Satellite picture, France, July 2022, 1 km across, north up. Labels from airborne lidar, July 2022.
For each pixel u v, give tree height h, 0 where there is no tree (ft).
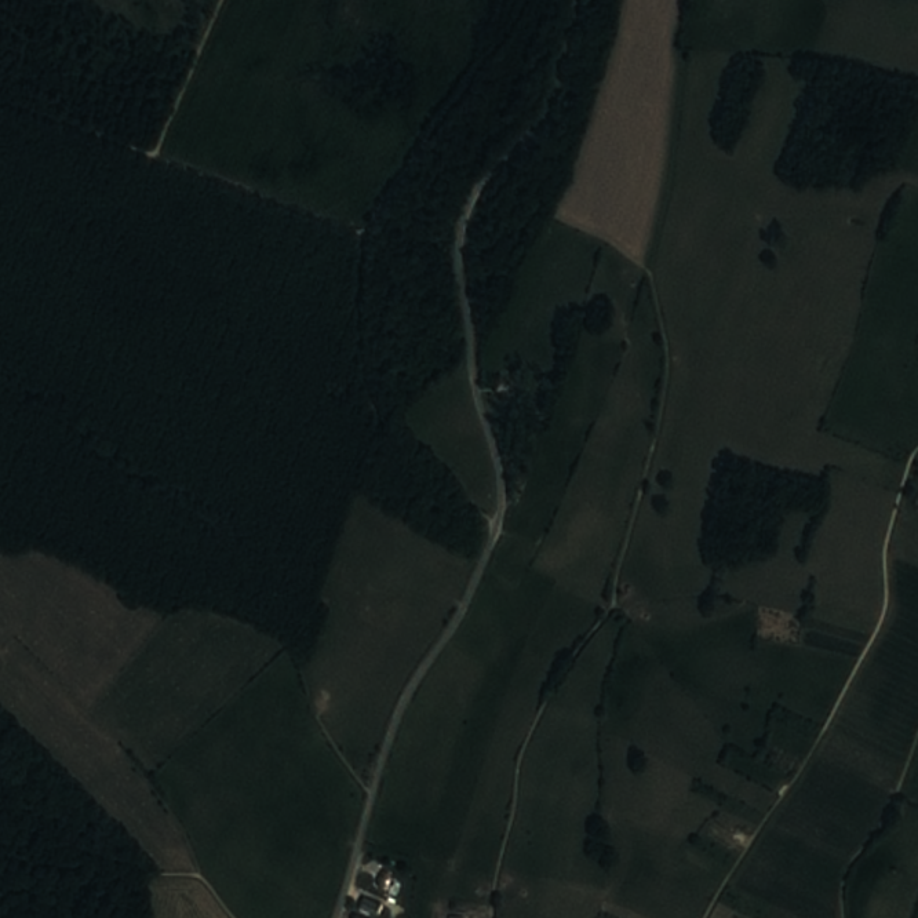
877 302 0
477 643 0
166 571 55
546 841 0
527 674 0
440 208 87
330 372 51
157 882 0
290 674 0
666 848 0
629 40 0
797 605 0
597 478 0
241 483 49
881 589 0
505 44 58
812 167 72
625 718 0
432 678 0
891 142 72
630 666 0
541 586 0
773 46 0
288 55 0
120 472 56
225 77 0
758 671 0
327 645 0
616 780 0
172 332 45
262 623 41
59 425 60
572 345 52
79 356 51
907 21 0
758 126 0
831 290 0
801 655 0
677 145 0
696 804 0
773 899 0
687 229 0
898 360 0
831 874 0
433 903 0
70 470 60
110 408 46
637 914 0
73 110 32
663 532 0
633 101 0
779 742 0
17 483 57
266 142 0
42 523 64
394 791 0
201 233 54
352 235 52
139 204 58
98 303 56
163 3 0
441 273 76
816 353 0
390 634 0
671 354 0
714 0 0
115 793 0
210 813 0
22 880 80
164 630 0
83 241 44
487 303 64
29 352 53
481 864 0
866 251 0
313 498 55
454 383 0
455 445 0
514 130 66
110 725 0
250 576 59
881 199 0
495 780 0
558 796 0
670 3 0
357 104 19
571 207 0
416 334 60
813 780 0
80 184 58
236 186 49
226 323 47
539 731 0
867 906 0
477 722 0
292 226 55
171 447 45
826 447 0
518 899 0
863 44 0
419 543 0
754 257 0
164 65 36
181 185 57
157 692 0
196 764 0
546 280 0
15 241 50
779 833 0
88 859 91
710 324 0
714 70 0
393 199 73
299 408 51
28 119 62
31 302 48
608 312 73
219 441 41
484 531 26
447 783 0
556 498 0
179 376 50
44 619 0
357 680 0
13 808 85
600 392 0
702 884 0
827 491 45
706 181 0
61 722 0
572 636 0
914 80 52
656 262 0
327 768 0
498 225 69
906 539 0
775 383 0
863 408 0
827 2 0
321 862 0
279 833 0
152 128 33
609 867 28
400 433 74
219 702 0
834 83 68
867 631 0
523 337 0
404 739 0
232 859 0
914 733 0
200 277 57
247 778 0
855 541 0
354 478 51
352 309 25
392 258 73
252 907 0
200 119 0
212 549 60
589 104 55
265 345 54
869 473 0
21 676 0
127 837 64
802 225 0
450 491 54
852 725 0
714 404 0
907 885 0
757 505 58
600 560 0
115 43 42
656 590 0
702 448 0
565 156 69
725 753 29
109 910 91
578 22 55
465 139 73
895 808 46
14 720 43
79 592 0
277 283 38
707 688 0
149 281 60
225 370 51
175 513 52
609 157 0
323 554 64
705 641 0
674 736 0
